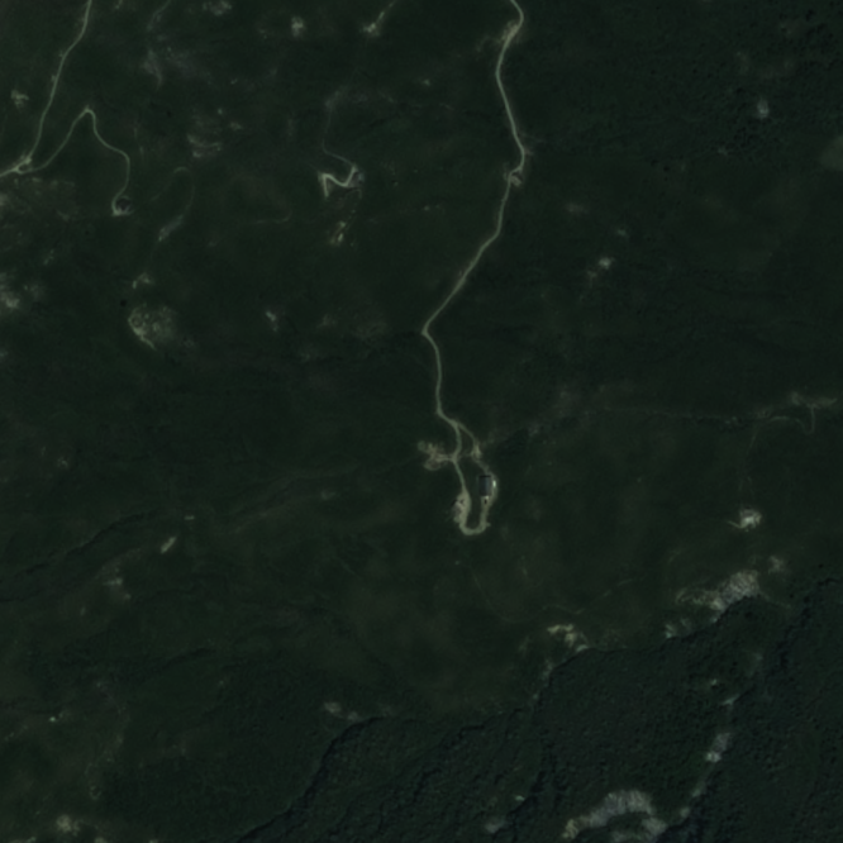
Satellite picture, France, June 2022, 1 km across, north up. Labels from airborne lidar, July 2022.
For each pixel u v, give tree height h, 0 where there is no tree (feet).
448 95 0
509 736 27
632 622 0
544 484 0
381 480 0
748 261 0
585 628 0
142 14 0
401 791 31
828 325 0
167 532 0
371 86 0
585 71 0
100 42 0
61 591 0
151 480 0
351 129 0
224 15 0
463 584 0
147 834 0
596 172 0
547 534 0
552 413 0
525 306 0
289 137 0
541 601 0
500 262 0
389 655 0
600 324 0
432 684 0
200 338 0
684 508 0
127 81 0
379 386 0
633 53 0
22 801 0
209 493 0
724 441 0
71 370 0
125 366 0
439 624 0
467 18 0
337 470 0
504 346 0
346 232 0
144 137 0
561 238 0
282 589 0
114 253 0
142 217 0
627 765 24
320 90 0
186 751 0
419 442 0
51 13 0
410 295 0
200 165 0
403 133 0
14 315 0
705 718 32
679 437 0
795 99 17
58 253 0
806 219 0
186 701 0
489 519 0
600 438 0
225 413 0
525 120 0
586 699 25
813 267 0
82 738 0
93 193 0
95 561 0
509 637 0
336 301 0
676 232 0
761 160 18
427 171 0
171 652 0
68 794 0
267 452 0
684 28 0
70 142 0
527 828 22
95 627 0
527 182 0
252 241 0
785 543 0
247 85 0
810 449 0
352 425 0
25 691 0
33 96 0
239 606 0
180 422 0
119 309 0
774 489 0
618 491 0
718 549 0
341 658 0
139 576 0
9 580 0
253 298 0
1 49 0
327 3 0
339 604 0
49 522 0
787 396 0
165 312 0
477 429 0
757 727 24
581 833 19
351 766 22
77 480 0
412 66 0
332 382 0
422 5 0
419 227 0
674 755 25
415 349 0
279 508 0
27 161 0
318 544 0
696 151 22
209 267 0
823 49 28
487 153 0
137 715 0
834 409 0
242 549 0
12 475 0
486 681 0
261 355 0
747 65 0
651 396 0
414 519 0
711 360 0
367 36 0
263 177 0
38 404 0
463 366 0
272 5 0
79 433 0
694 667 36
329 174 0
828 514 0
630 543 0
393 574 0
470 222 0
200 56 0
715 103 30
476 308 0
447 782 21
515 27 0
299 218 0
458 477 0
